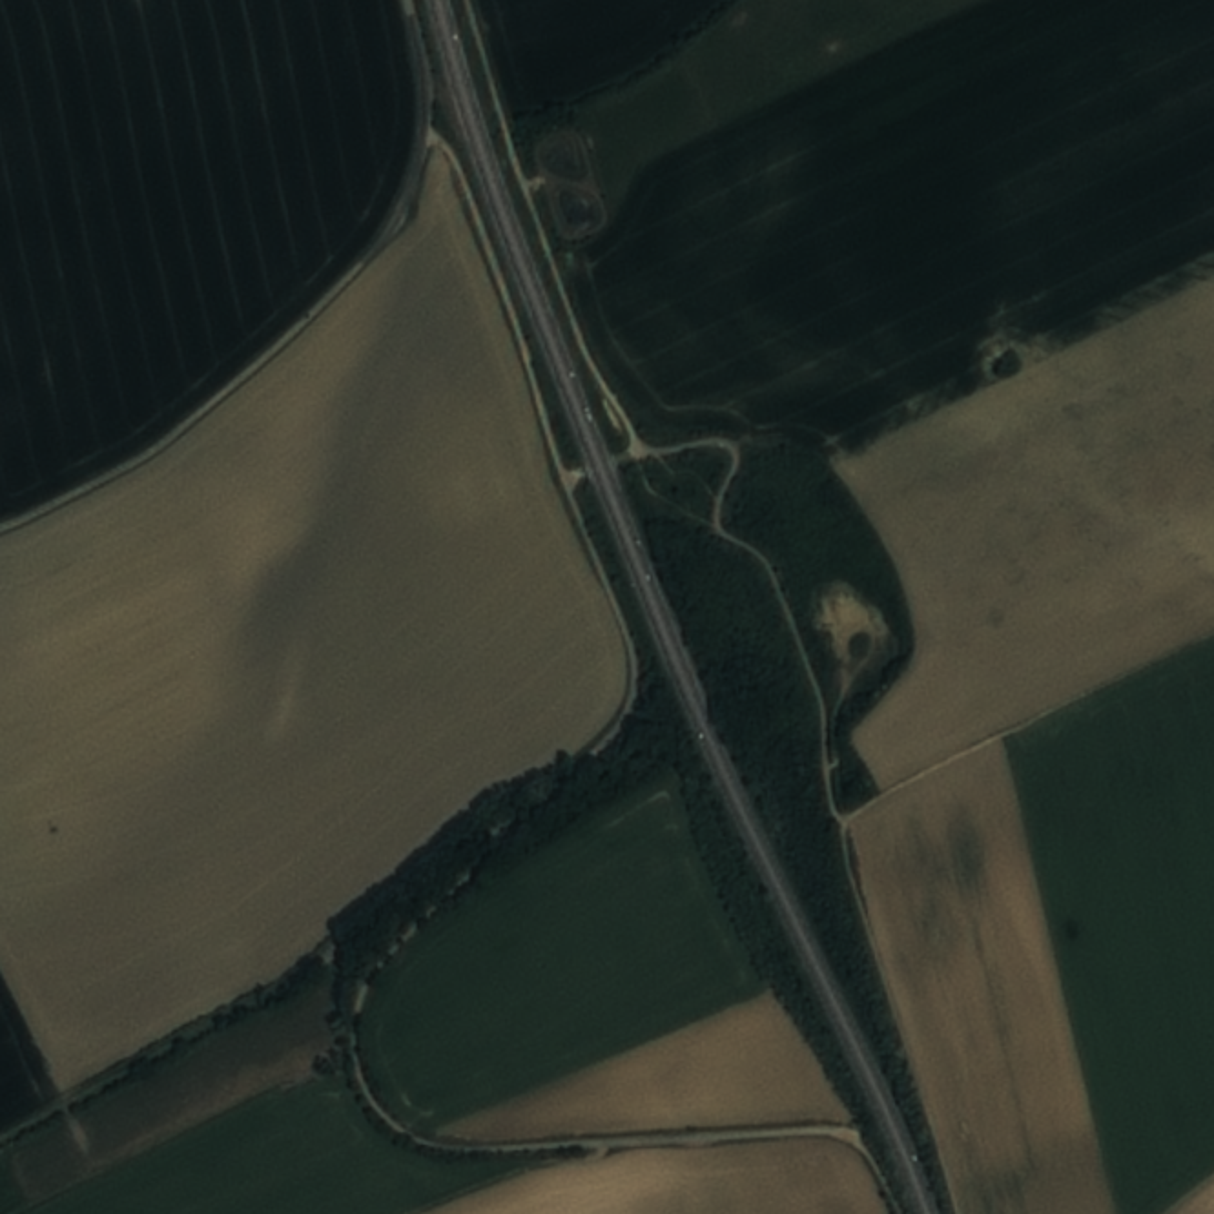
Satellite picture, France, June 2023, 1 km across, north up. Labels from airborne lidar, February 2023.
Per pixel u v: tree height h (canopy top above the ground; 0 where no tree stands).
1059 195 0
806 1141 0
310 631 0
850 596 0
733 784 0
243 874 0
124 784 0
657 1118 0
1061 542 0
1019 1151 0
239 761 0
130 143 0
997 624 0
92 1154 0
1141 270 0
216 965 0
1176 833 0
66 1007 0
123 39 0
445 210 0
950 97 0
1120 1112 0
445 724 0
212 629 0
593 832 0
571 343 0
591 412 0
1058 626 0
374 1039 0
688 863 0
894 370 0
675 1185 0
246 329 0
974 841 0
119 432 0
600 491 0
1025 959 0
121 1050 0
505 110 0
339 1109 0
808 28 0
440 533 0
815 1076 0
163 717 0
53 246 0
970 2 0
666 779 0
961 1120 0
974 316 0
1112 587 0
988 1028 0
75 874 0
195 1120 0
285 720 0
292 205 0
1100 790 0
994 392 0
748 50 0
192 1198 0
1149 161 0
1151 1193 0
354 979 13
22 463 0
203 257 0
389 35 0
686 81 0
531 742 0
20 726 0
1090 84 0
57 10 0
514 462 0
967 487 0
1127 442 0
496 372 0
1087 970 0
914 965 0
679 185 0
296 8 0
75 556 0
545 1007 0
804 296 0
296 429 0
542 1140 0
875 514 0
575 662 0
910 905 0
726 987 0
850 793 15
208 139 0
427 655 0
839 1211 0
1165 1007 0
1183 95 0
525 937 0
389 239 0
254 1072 0
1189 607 0
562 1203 0
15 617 0
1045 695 0
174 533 0
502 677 0
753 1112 0
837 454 0
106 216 0
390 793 0
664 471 0
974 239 0
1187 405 0
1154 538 0
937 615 0
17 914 0
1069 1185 0
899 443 0
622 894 0
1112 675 0
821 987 0
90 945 0
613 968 0
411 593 0
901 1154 0
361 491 0
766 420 0
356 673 0
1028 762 0
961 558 0
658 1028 0
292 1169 0
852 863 0
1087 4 0
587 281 0
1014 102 0
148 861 0
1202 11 0
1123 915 0
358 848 0
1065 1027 0
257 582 0
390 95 0
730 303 0
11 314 0
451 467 0
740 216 0
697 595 6
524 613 0
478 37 0
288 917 0
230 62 0
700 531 7
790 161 0
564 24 0
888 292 0
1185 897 0
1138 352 0
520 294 0
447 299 0
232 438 0
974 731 0
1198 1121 0
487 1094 0
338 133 0
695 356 0
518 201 0
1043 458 0
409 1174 0
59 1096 0
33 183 0
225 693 0
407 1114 0
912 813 0
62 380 0
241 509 0
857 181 0
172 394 0
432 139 0
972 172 0
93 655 0
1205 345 0
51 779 0
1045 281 0
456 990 0
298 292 0
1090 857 0
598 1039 0
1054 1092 0
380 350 0
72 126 0
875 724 0
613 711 0
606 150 0
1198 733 0
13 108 0
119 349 0
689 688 0
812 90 0
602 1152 0
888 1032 12
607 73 0
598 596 0
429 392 0
